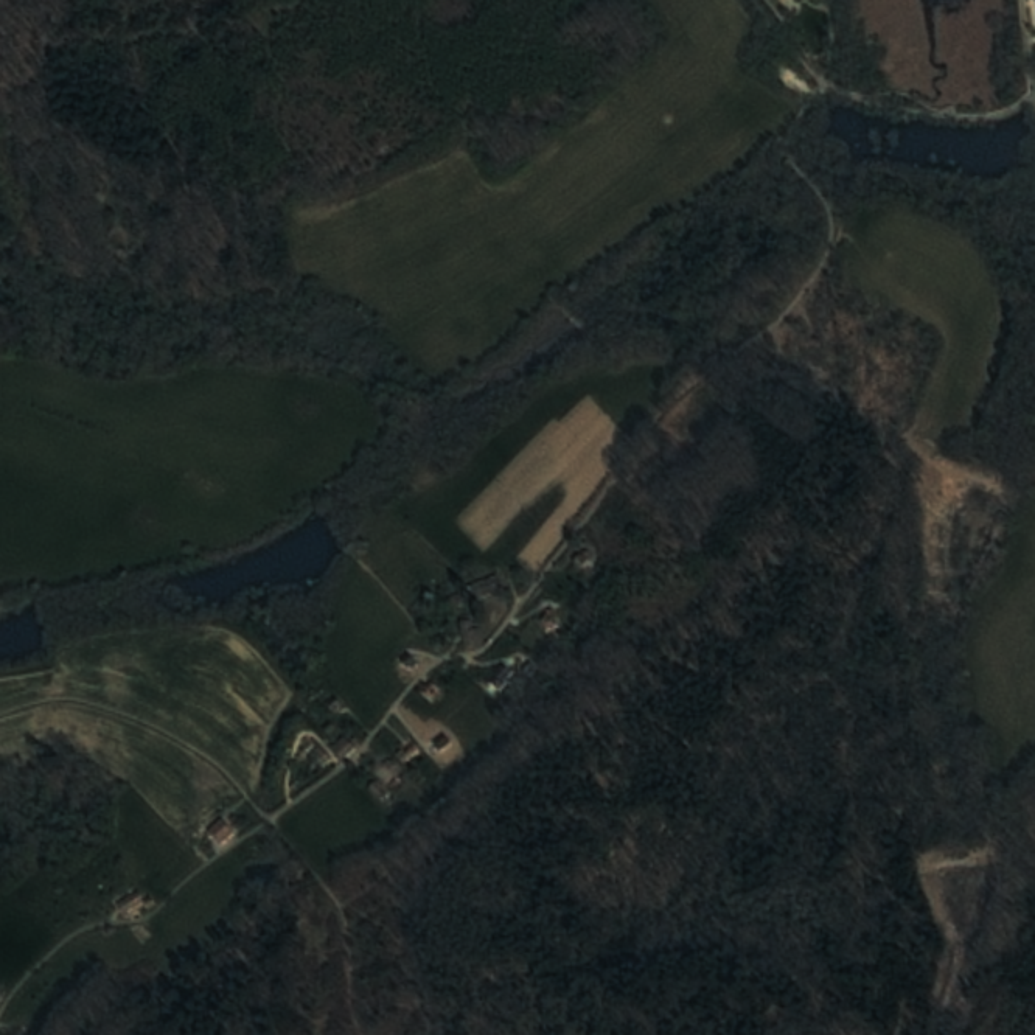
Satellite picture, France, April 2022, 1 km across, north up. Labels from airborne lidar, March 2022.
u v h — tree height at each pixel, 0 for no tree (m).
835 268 18
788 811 26
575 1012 18
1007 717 0
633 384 0
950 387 0
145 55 11
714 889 27
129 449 0
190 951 0
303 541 0
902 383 29
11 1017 0
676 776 38
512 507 0
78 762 24
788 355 9
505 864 26
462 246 0
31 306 27
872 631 27
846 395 33
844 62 21
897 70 0
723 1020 11
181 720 0
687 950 8
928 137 0
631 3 29
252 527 0
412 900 27
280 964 19
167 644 0
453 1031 21
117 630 25
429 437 19
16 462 0
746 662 35
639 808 24
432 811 17
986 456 25
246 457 0
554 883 21
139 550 0
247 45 16
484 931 27
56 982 0
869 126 0
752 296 29
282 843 15
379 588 0
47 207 25
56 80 16
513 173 25
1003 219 20
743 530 19
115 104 28
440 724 0
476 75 11
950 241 0
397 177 10
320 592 15
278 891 30
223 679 0
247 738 0
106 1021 25
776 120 0
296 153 10
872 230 0
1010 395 30
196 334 23
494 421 23
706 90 0
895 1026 20
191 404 0
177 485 0
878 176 16
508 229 0
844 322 31
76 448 0
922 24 0
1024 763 0
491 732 0
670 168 0
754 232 24
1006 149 0
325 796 0
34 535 0
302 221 0
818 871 26
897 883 14
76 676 0
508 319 0
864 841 27
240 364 8
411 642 0
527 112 10
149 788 0
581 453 0
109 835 23
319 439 0
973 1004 24
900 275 0
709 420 0
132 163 30
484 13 14
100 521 0
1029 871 31
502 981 25
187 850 0
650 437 33
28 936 0
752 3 17
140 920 0
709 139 0
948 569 0
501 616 0
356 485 22
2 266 26
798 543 25
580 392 0
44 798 16
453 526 0
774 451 20
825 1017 10
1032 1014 10
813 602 32
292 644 18
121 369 24
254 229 30
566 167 0
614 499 0
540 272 0
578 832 27
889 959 18
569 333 0
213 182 13
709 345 26
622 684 24
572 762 20
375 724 0
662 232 22
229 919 0
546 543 0
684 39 0
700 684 27
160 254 30
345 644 0
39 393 0
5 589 0
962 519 0
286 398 0
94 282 18
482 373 18
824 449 29
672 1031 27
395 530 0
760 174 20
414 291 0
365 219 0
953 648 26
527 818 25
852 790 30
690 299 18
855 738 30
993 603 0
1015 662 0
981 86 0
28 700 0
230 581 0
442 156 9
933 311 0
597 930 26
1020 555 0
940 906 0
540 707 21
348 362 12
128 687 0
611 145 0
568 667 27
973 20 0
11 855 26
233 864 0
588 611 17
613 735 28
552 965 25
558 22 17
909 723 23
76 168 27
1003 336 0
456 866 27
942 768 22
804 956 26
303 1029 12
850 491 11
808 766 27
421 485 0
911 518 29
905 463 31
